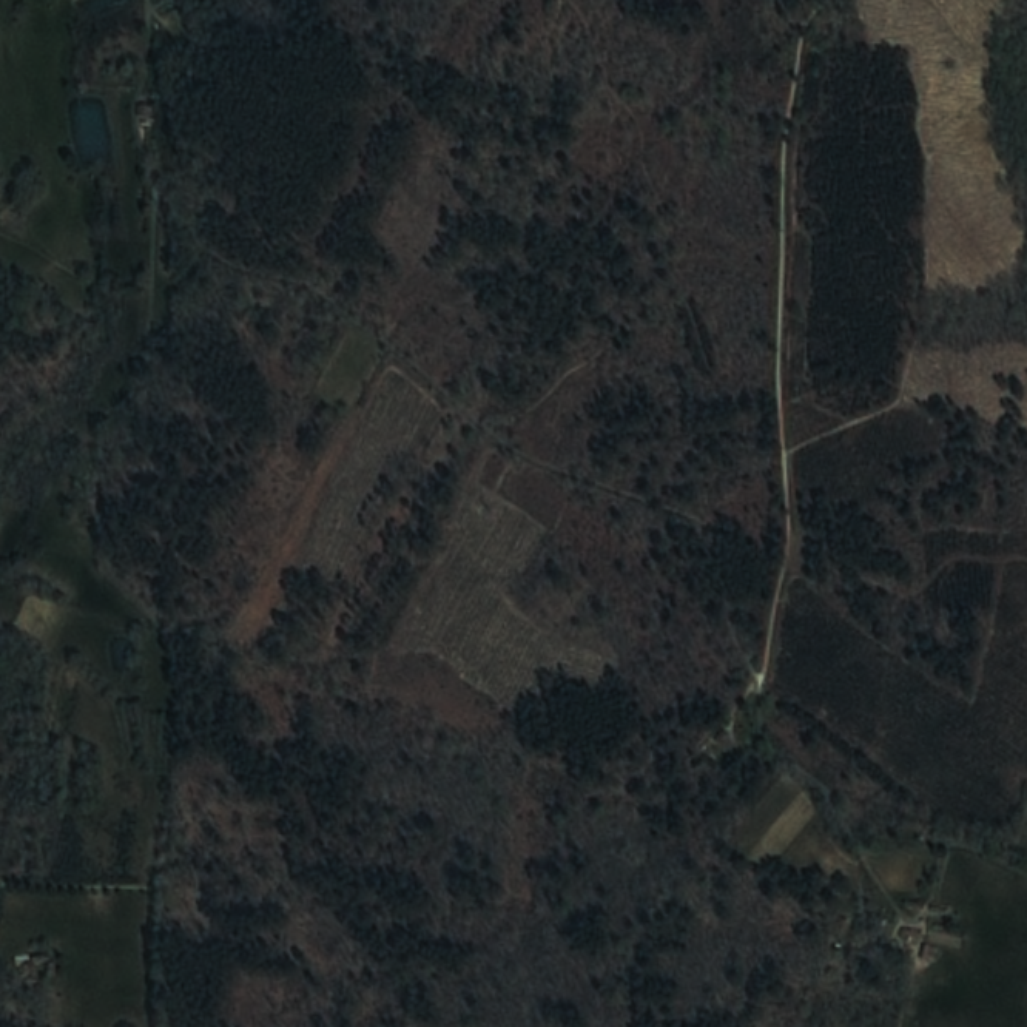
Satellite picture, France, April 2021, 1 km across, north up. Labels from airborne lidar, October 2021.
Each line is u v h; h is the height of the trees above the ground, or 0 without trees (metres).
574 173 24
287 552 0
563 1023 20
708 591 23
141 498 18
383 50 14
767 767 10
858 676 6
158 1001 17
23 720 17
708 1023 18
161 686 0
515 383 31
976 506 20
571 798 6
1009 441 19
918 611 10
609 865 11
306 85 28
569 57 8
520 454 14
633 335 8
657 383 8
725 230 9
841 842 12
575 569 14
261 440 23
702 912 19
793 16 20
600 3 16
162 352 21
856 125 11
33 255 0
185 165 22
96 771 22
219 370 24
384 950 24
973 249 0
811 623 6
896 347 12
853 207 12
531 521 0
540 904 13
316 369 18
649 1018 8
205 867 23
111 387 0
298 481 0
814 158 10
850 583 20
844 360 10
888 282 12
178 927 0
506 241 26
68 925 0
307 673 14
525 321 24
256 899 13
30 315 9
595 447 10
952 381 0
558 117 20
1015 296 13
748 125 7
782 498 16
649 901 10
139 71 17
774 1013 11
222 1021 22
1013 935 0
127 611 0
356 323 16
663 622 7
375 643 21
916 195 11
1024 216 8
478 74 16
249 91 28
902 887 0
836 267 11
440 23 8
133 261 0
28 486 23
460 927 11
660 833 21
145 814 0
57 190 0
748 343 7
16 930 0
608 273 0
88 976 0
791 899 22
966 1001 0
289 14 19
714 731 19
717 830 13
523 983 20
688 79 12
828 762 6
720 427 28
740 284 7
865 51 11
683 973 13
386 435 0
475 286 15
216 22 22
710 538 13
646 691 7
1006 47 15
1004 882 0
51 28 0
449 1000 12
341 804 26
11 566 11
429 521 22
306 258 12
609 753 17
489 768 12
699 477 10
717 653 6
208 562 24
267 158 26
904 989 24
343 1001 18
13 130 0
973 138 0
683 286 8
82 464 25
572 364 15
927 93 0
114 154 0
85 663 15
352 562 0
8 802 12
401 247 0
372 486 0
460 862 14
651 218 15
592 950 26
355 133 25
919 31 0
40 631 0
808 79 7
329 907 23
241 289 17
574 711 18
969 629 20
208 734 27
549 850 9
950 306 20
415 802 8
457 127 23
